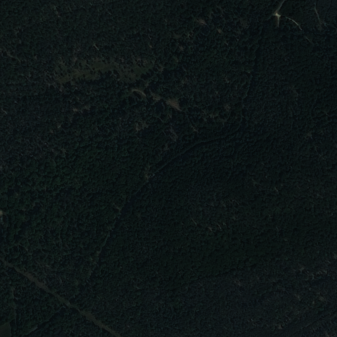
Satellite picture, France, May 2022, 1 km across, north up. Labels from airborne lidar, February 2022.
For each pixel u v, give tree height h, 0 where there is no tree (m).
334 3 11
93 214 24
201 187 25
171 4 25
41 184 28
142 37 33
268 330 11
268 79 26
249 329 8
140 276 25
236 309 27
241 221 22
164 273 23
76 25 26
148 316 27
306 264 26
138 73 0
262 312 24
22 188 31
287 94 24
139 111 33
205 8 32
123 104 35
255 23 8
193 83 27
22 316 28
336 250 23
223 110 31
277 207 24
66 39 31
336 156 27
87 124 23
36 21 24
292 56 29
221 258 24
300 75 26
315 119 22
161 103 0
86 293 28
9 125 30
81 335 25
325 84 27
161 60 35
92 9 24
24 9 23
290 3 9
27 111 21
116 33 30
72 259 30
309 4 9
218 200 25
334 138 25
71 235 29
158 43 33
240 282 28
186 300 28
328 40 32
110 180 24
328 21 10
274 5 11
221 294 24
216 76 29
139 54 34
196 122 32
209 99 29
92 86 32
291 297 28
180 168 26
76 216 21
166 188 25
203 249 22
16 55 29
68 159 18
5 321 16
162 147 13
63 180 25
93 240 24
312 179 27
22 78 29
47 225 24
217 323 27
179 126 25
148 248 28
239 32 0
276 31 26
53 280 28
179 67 7
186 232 21
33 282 0
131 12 27
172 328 29
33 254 28
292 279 23
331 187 20
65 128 32
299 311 27
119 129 32
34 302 28
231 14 34
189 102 30
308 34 34
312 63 31
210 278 25
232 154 30
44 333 12
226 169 25
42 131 35
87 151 23
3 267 25
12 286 23
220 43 27
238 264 20
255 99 22
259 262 19
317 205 19
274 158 22
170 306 26
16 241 26
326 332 16
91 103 34
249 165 24
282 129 23
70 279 28
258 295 11
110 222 29
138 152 26
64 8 20
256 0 25
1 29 24
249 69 11
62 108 33
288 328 14
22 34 31
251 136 31
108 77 29
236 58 28
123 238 22
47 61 33
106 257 26
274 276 27
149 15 19
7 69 26
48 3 18
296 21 9
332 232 24
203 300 29
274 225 27
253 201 23
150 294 22
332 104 24
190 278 22
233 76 27
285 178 24
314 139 21
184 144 16
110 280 29
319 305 6
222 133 22
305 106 25
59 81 0
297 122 23
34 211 19
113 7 28
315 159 26
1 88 31
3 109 27
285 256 24
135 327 29
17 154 31
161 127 18
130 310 28
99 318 19
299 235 26
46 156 12
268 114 23
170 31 28
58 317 29
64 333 11
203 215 22
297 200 23
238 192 26
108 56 29
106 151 24
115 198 27
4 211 29
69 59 28
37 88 28
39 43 29
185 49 32
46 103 28
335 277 27
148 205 22
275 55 22
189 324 29
